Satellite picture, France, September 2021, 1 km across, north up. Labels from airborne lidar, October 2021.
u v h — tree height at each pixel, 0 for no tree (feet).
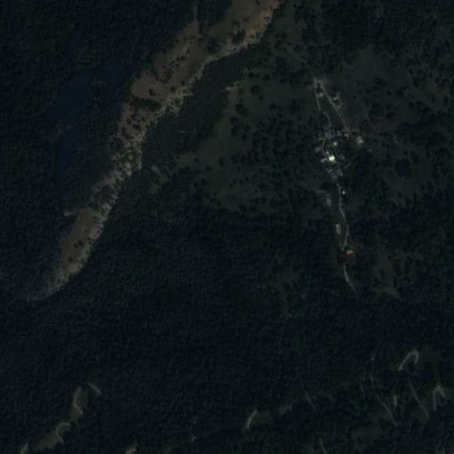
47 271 29
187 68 0
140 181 48
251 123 0
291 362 79
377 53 37
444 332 71
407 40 51
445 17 60
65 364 61
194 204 58
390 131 0
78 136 52
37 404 74
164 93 0
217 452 73
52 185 45
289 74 41
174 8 82
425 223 48
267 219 46
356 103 0
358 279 49
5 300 37
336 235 0
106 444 53
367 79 0
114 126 20
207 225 111
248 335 100
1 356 39
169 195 38
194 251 50
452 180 58
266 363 89
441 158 54
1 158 72
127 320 62
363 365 58
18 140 85
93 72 26
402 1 68
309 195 53
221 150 0
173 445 50
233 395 75
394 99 0
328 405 55
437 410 0
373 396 51
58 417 46
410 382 32
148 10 100
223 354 80
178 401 55
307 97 0
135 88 0
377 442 0
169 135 48
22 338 66
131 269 46
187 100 32
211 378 63
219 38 0
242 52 41
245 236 59
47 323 50
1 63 75
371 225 44
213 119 68
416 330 63
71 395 45
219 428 54
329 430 48
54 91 29
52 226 36
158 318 41
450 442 56
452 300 59
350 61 28
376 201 33
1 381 75
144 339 60
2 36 81
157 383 48
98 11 64
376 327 77
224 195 0
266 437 65
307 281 52
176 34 28
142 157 25
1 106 93
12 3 84
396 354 50
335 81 0
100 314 60
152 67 24
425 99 0
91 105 59
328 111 0
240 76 58
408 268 50
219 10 52
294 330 54
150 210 44
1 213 40
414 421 44
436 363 0
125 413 40
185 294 79
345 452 50
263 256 61
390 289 0
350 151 23
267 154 48
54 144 46
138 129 41
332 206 0
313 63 23
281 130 51
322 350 85
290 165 51
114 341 70
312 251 89
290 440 62
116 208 50
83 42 57
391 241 78
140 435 74
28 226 71
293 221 63
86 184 49
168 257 25
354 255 0
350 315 79
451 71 39
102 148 45
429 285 70
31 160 37
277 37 36
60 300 70
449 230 84
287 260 81
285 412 0
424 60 44
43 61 90
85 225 0
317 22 57
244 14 0
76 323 82
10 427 81
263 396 87
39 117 62
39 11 65
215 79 59
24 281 57
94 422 51
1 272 54
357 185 58
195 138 59
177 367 86
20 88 71
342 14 77
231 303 72
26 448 0
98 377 36
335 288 52
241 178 0
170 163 33
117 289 32
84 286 66
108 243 75
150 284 35
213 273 57
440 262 70
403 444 68
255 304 47
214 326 66
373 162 57
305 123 0
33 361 58
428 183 0
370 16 52
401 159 0
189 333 48
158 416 64
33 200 63
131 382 62
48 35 51
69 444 61
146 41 49
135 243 63
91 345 75
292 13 0
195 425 0
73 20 66
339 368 76
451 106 27
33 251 72
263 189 39
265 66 33
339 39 67
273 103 0
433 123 68
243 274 63
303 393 57
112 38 77
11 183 58
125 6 85
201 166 0
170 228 60
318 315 62
